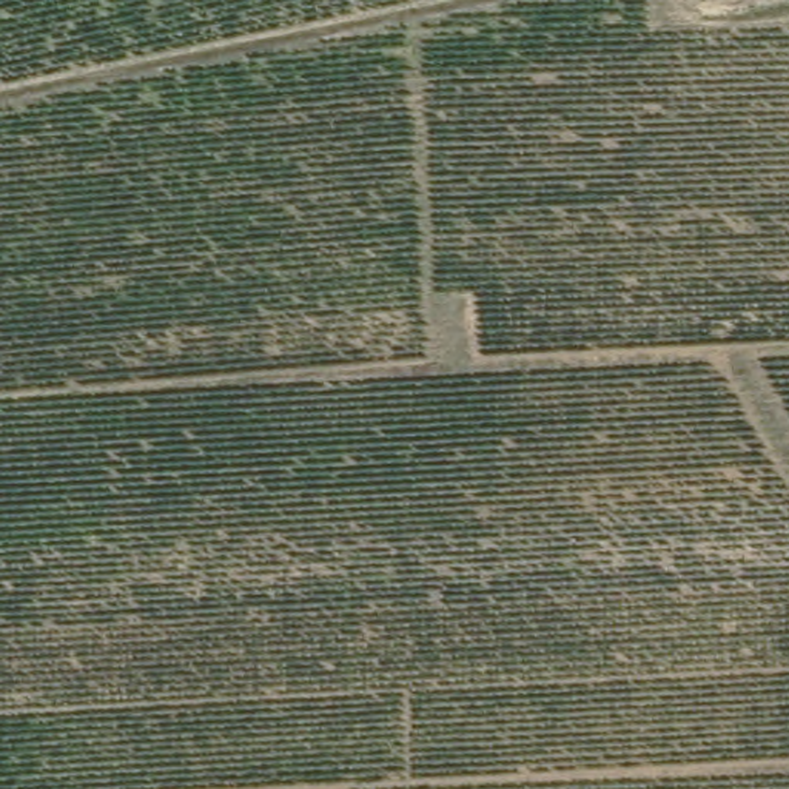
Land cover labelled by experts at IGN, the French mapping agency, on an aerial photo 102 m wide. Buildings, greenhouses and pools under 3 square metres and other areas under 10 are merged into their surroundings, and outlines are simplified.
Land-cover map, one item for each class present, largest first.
<instances>
[{"label":"vineyard","instance_id":"1","mask_svg":"<svg viewBox=\"0 0 789 789\"><path fill-rule=\"evenodd\" d=\"M0 789H789V0H0Z\"/></svg>","mask_w":789,"mask_h":789}]
</instances>
